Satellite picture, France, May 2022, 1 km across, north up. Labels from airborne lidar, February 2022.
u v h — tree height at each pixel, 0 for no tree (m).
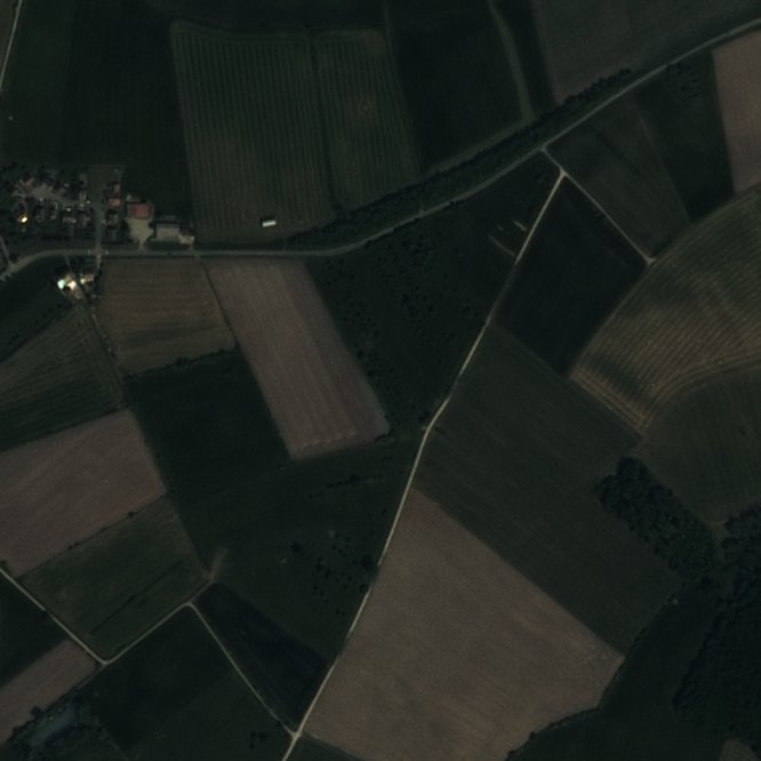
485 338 0
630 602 0
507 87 0
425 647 0
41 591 0
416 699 0
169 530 0
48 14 0
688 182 0
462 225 0
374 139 0
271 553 0
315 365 0
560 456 0
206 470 0
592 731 0
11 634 0
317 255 0
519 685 0
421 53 0
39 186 0
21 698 0
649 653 0
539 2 0
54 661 0
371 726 0
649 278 0
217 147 0
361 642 0
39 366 0
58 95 0
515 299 0
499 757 0
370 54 0
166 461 0
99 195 0
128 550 0
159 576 0
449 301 0
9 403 0
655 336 0
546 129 15
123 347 0
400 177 0
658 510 31
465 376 0
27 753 19
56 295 0
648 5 0
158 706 0
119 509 0
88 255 0
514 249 0
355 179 0
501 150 15
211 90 0
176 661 0
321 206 0
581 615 0
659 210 0
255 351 0
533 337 0
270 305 0
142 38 0
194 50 0
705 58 0
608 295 0
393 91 0
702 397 0
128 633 0
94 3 0
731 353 0
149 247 0
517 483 0
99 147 0
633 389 0
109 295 0
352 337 0
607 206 0
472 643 0
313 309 0
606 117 0
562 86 0
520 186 0
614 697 0
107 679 0
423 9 0
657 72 0
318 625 0
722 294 0
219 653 0
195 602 0
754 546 21
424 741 0
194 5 0
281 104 0
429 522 0
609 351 0
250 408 0
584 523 0
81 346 0
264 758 0
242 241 0
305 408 0
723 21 0
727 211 0
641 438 0
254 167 0
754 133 0
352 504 0
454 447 0
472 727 0
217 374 0
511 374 0
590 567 0
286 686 0
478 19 0
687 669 0
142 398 0
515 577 0
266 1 0
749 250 0
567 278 0
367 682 0
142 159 0
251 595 0
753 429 0
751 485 0
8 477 0
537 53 0
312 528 0
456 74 0
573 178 0
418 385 0
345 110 0
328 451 0
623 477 18
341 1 0
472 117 0
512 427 0
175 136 0
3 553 0
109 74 0
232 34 0
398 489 0
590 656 0
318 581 0
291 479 0
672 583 0
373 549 0
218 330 0
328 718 0
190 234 0
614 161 0
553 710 0
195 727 0
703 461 0
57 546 0
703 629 0
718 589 10
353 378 0
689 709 23
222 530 0
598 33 0
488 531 0
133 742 0
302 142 0
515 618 0
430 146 0
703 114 0
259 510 0
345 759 0
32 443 0
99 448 0
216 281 0
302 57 0
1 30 0
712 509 0
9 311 0
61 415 0
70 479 0
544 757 0
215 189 0
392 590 0
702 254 0
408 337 0
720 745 0
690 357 0
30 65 0
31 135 0
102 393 0
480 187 0
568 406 0
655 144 0
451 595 0
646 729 0
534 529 0
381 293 0
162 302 0
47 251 0
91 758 0
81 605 0
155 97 0
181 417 0
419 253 6
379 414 0
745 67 0
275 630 0
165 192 0
